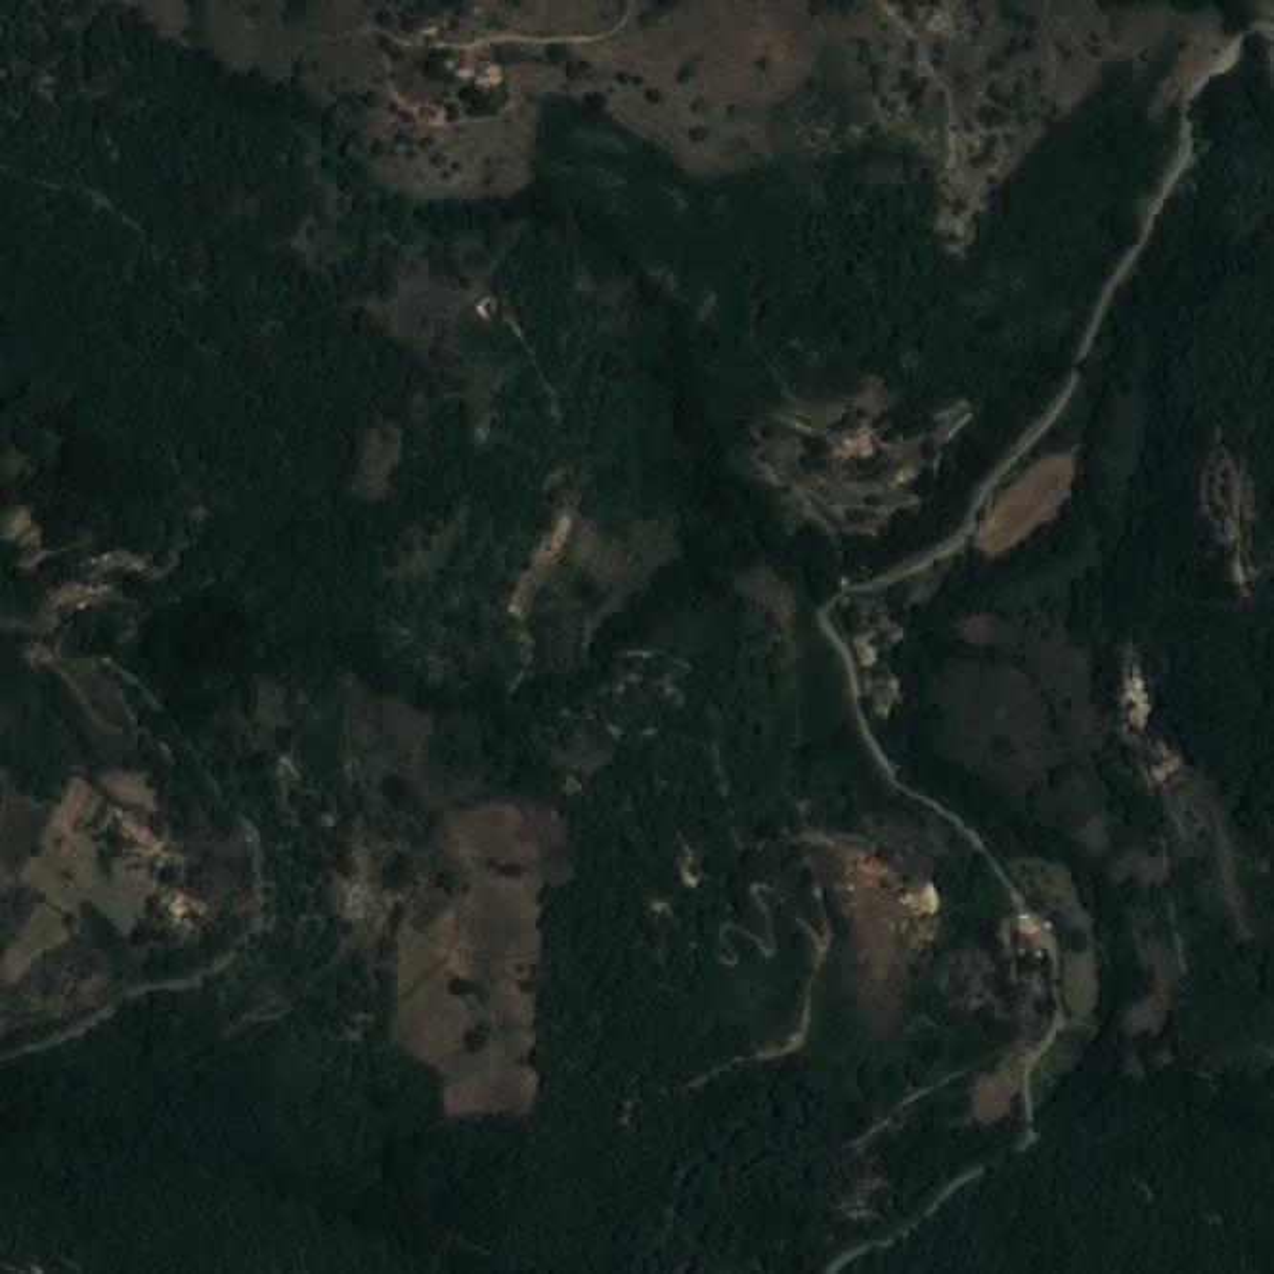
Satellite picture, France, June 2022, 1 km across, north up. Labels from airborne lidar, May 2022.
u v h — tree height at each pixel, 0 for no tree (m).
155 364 15
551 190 10
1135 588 6
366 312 14
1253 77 10
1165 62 0
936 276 13
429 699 19
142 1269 12
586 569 0
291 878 10
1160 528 17
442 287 0
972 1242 8
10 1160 7
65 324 11
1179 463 8
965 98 0
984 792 22
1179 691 12
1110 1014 14
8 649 0
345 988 14
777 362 7
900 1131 11
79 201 8
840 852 0
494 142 0
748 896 10
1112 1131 13
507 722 16
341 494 19
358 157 14
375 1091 18
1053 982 7
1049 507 0
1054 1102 17
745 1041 15
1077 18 0
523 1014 0
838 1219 9
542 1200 20
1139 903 13
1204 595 12
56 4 12
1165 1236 11
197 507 11
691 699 8
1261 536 6
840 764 0
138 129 14
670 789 12
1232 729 14
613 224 13
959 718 0
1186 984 10
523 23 0
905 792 11
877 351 13
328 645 12
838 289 14
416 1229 20
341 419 14
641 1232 32
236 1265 13
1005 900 0
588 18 0
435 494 13
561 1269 18
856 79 0
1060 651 0
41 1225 15
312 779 10
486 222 16
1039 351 8
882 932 0
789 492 7
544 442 12
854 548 11
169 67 14
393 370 12
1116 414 19
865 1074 18
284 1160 19
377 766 0
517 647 0
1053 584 0
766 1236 17
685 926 11
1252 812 22
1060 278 8
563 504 8
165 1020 15
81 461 12
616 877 17
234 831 13
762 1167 31
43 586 8
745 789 8
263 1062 10
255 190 11
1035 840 21
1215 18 0
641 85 9
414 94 0
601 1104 15
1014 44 9
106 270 14
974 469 21
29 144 10
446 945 0
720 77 0
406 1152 14
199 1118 38
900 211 25
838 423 10
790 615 0
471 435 15
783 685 21
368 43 0
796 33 0
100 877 0
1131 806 17
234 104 19
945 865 11
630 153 0
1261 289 13
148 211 10
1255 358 16
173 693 8
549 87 0
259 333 12
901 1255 10
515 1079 0
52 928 0
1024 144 0
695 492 8
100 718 0
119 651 17
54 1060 11
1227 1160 14
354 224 16
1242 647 6
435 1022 0
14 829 0
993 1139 17
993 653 12
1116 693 24
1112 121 6
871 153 9
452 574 11
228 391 14
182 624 21
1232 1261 12
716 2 0
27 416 21
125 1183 28
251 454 10
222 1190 21
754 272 13
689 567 19
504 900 0
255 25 0
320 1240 14
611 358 15
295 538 16
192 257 16
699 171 0
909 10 10
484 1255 9
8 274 17
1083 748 0
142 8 8
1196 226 15
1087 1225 13
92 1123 26
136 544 12
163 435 12
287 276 17
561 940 9
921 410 14
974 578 20
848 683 0
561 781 11
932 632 21
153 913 8
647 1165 20
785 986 0
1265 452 9
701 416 16
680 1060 16
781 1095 26
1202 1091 20
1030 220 6
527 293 11
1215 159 15
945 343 11
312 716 10
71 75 13
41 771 10
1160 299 17
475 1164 15
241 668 11
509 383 9
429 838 8
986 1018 6
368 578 15
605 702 10
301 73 9
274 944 13
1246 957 14
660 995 14
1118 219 16
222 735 13
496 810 0
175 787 12
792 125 0
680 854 16
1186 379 14
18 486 12
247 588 22
